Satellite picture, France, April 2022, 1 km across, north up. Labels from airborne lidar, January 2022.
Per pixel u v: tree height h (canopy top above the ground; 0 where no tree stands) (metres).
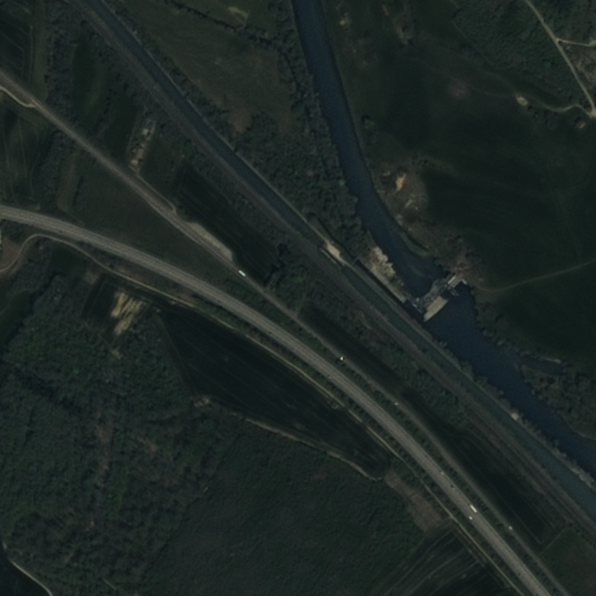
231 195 12
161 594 8
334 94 0
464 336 0
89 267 13
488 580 0
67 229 0
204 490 23
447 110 0
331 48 0
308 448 12
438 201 0
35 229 9
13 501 21
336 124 0
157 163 0
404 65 0
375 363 0
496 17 12
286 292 23
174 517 21
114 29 0
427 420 0
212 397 0
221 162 0
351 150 0
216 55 0
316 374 9
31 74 0
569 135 0
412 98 0
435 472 0
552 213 0
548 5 11
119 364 11
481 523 0
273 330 0
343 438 0
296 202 16
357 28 0
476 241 0
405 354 20
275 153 11
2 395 11
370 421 13
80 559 22
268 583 11
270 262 0
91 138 18
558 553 0
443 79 0
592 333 0
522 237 0
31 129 0
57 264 0
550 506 17
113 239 0
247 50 0
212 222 0
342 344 0
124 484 27
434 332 0
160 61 14
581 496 0
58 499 24
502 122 0
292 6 0
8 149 0
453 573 0
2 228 10
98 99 0
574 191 0
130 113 0
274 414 0
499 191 0
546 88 9
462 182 0
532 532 0
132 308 0
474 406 0
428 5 0
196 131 0
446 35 0
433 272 0
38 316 22
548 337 0
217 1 0
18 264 0
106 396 24
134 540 29
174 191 0
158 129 0
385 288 0
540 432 14
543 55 7
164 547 28
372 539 11
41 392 20
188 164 0
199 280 0
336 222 13
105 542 19
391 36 0
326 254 0
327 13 0
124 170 0
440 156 0
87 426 12
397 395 0
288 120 0
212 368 0
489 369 0
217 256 0
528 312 0
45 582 19
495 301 0
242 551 14
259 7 0
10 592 0
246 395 0
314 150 12
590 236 0
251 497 9
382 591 0
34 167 0
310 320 0
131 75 15
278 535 10
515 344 9
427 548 0
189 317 0
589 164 0
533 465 0
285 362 0
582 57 0
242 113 0
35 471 24
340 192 21
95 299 0
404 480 15
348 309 16
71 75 20
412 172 0
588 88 6
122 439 21
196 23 0
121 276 0
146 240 0
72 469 24
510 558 0
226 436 24
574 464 13
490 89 0
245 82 0
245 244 0
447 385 0
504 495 0
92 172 0
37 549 24
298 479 11
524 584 0
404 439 0
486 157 0
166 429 26
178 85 13
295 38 11
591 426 18
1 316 0
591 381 16
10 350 16
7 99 0
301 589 9
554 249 0
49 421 26
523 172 0
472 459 0
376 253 0
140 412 25
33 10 0
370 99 0
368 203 0
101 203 0
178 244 0
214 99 0
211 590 13
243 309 0
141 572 26
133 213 0
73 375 13
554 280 0
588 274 0
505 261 0
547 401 19
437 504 13
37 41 0
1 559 0
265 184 0
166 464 30
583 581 0
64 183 0
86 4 0
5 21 0
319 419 0
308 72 13
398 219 0
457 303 0
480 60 21
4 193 0
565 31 10
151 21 0
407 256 0
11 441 19
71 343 15
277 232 16
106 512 25
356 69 0
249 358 0
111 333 0
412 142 0
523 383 0
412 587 0
